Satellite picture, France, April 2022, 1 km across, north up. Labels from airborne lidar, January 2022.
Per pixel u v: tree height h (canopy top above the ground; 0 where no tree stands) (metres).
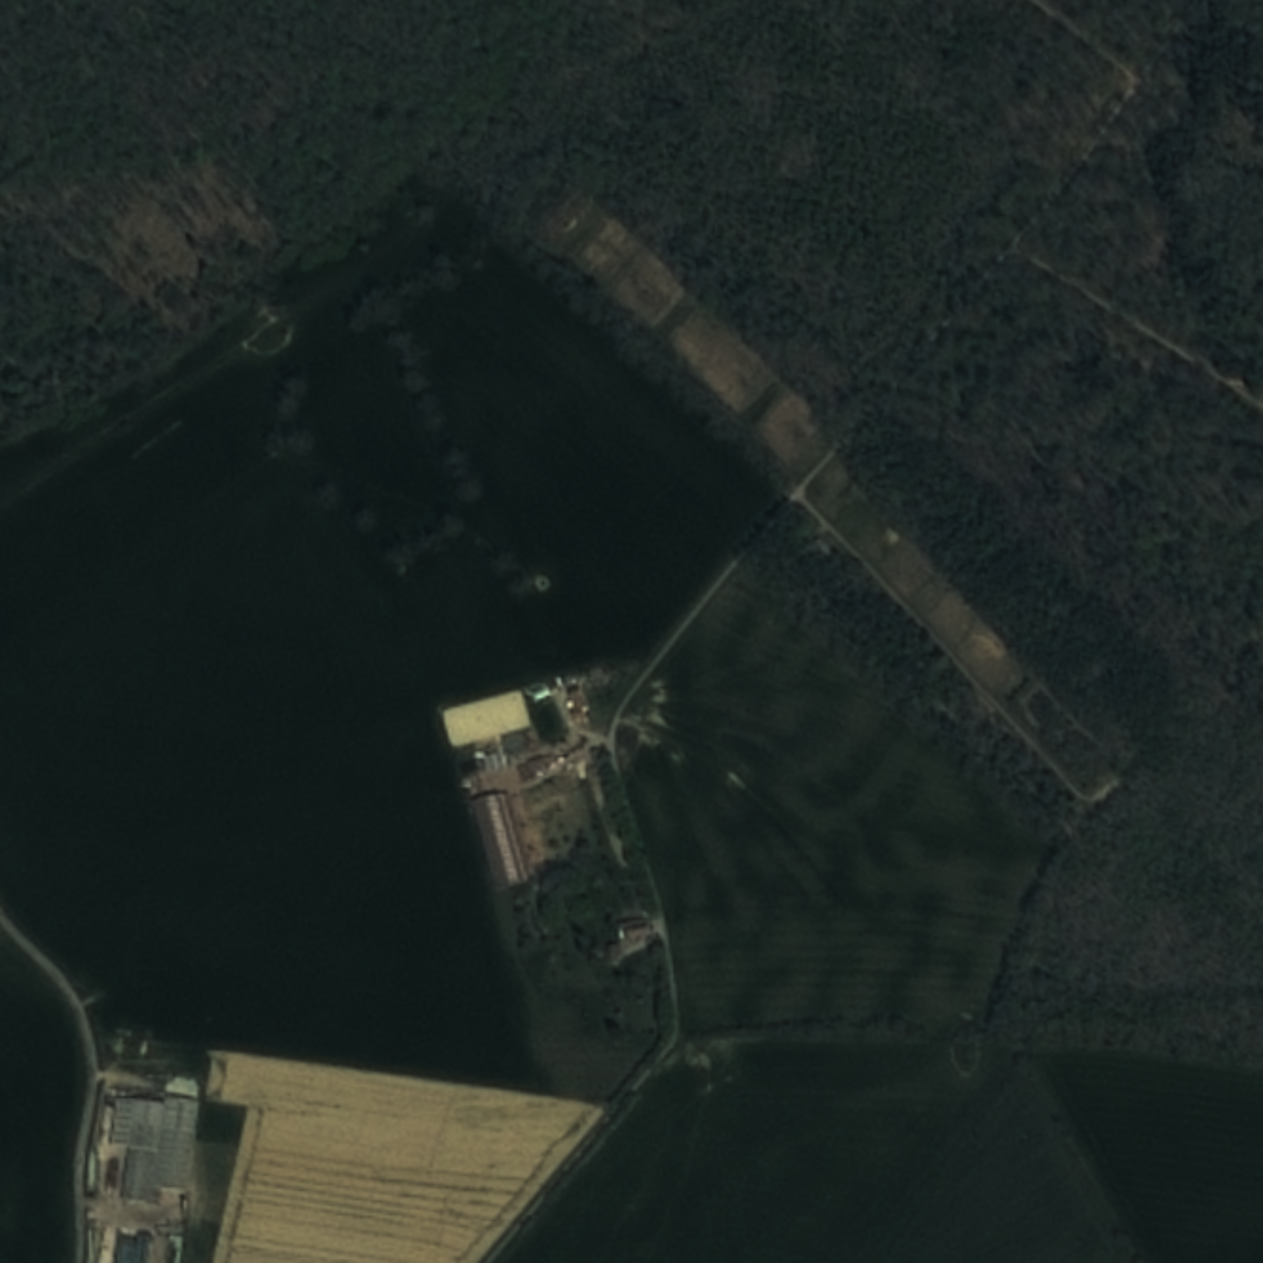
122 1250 0
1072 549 26
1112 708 16
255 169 29
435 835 0
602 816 0
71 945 0
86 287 30
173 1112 0
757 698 0
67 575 0
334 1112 0
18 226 27
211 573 0
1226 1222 0
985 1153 0
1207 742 0
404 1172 0
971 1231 0
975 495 18
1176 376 13
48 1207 0
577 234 0
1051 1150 0
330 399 0
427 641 0
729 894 0
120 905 0
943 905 0
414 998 0
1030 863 0
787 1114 0
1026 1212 0
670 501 0
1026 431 28
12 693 0
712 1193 0
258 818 0
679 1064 0
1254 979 0
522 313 0
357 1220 0
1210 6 23
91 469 0
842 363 21
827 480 0
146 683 0
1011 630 20
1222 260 17
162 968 0
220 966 0
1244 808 0
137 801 0
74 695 0
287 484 0
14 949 0
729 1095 0
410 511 0
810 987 0
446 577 0
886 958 0
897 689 20
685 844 0
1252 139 0
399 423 0
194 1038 0
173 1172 0
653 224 16
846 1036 12
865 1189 0
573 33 25
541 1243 0
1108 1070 0
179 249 0
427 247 0
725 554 0
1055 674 18
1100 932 0
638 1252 0
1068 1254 0
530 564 0
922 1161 0
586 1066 0
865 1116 0
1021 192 25
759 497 0
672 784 0
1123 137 27
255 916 0
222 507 0
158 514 0
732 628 0
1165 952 0
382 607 0
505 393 0
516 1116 0
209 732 0
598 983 0
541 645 0
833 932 0
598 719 0
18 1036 0
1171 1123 0
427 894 0
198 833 0
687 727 0
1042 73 27
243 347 0
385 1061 0
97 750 0
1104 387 9
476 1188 0
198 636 0
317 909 0
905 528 15
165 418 0
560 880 23
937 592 0
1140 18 28
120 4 30
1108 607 23
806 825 0
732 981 0
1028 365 27
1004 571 21
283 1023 0
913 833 0
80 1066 0
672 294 0
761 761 0
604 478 0
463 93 24
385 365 0
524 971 0
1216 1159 0
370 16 26
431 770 0
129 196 29
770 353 22
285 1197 0
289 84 28
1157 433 25
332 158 27
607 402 0
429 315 0
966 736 18
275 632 0
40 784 0
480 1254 0
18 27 29
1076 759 0
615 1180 0
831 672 0
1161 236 0
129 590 0
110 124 27
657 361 24
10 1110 0
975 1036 8
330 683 0
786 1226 0
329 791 0
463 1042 0
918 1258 0
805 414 0
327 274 0
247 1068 0
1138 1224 0
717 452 0
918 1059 0
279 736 0
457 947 0
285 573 0
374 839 0
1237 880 0
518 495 0
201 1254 0
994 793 18
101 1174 0
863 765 0
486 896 0
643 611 0
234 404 0
